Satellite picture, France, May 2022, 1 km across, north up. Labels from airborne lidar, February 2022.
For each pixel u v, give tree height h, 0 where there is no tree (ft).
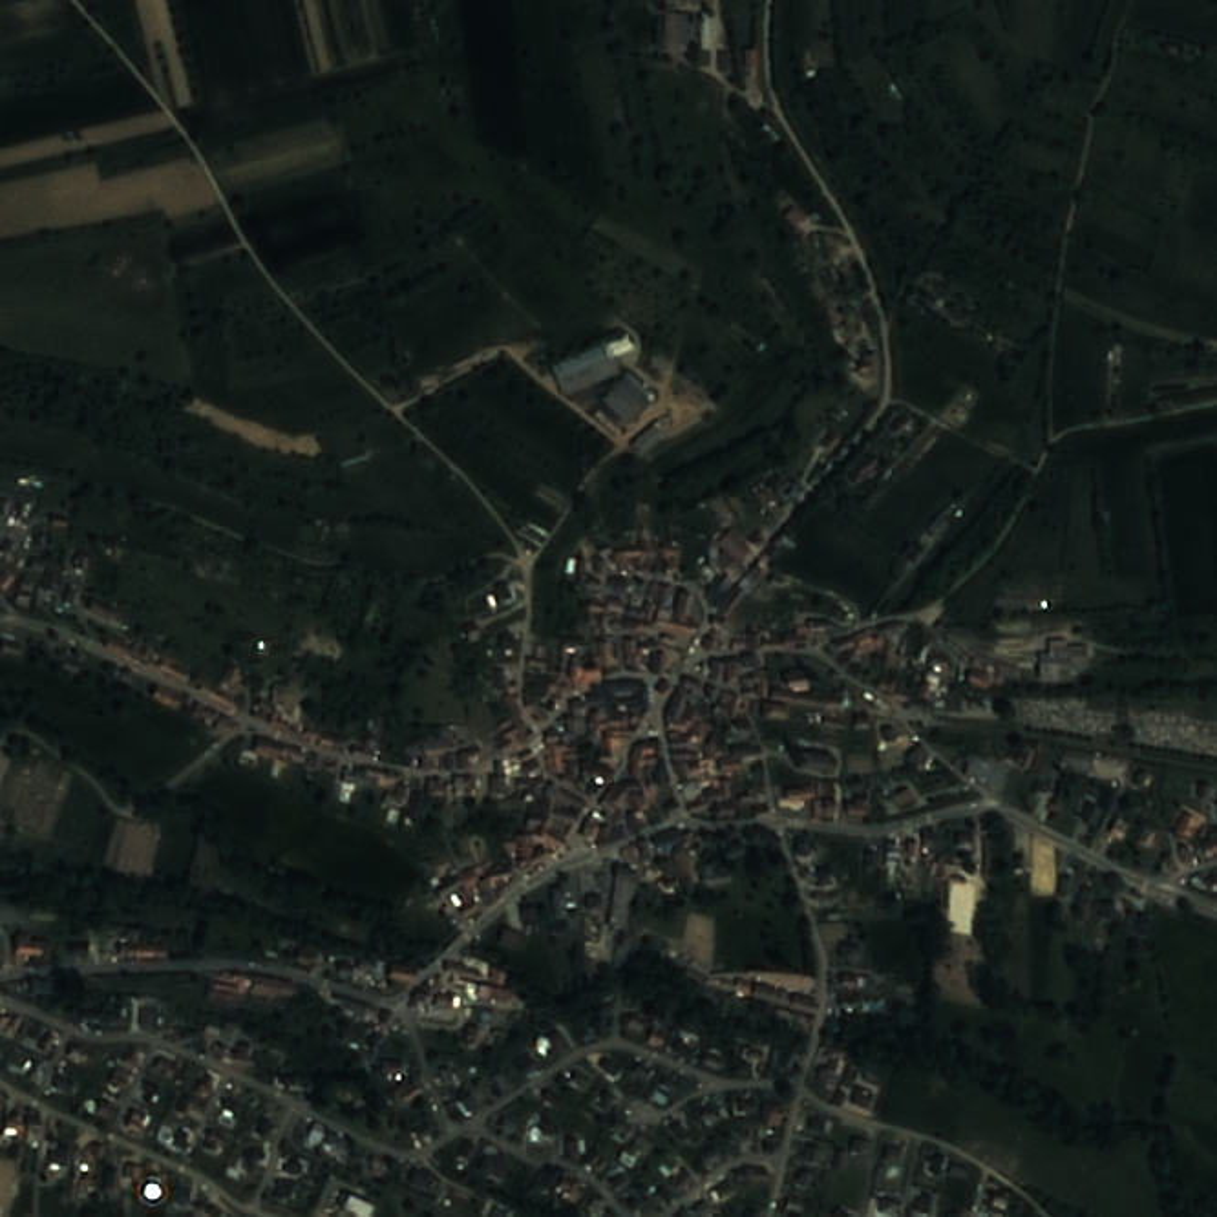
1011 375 41
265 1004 0
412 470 0
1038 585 0
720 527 0
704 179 41
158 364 0
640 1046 0
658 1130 0
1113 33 0
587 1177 0
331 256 0
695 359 0
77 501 26
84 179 0
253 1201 0
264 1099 0
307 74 0
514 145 0
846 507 37
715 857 24
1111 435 0
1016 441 0
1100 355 0
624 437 0
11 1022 0
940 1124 0
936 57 0
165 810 50
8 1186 0
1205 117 0
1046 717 0
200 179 0
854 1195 0
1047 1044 0
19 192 0
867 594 0
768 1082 0
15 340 0
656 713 0
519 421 0
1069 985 0
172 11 26
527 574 0
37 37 0
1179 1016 0
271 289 0
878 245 0
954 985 0
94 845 0
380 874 0
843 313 26
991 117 0
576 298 0
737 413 0
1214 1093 0
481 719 0
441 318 0
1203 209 0
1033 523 0
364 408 0
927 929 111
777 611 0
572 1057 0
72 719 0
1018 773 0
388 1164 28
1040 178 28
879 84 0
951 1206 0
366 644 46
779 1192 0
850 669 20
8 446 0
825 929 0
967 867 27
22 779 0
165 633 0
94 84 0
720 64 0
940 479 0
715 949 0
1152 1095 0
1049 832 0
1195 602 0
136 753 0
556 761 0
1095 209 0
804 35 0
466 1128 0
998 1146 0
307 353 0
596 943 0
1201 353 45
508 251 0
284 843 0
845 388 37
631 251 0
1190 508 0
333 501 0
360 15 0
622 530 0
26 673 0
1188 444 0
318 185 0
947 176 0
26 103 0
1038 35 0
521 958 0
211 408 0
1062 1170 0
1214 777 0
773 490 23
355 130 0
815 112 25
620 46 46
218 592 0
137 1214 0
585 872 0
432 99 0
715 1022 47
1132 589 0
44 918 0
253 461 0
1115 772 0
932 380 0
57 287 0
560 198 0
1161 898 0
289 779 0
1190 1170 0
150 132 0
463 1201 0
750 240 0
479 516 0
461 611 0
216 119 0
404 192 0
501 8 0
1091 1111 0
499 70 0
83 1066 0
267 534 0
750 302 20
